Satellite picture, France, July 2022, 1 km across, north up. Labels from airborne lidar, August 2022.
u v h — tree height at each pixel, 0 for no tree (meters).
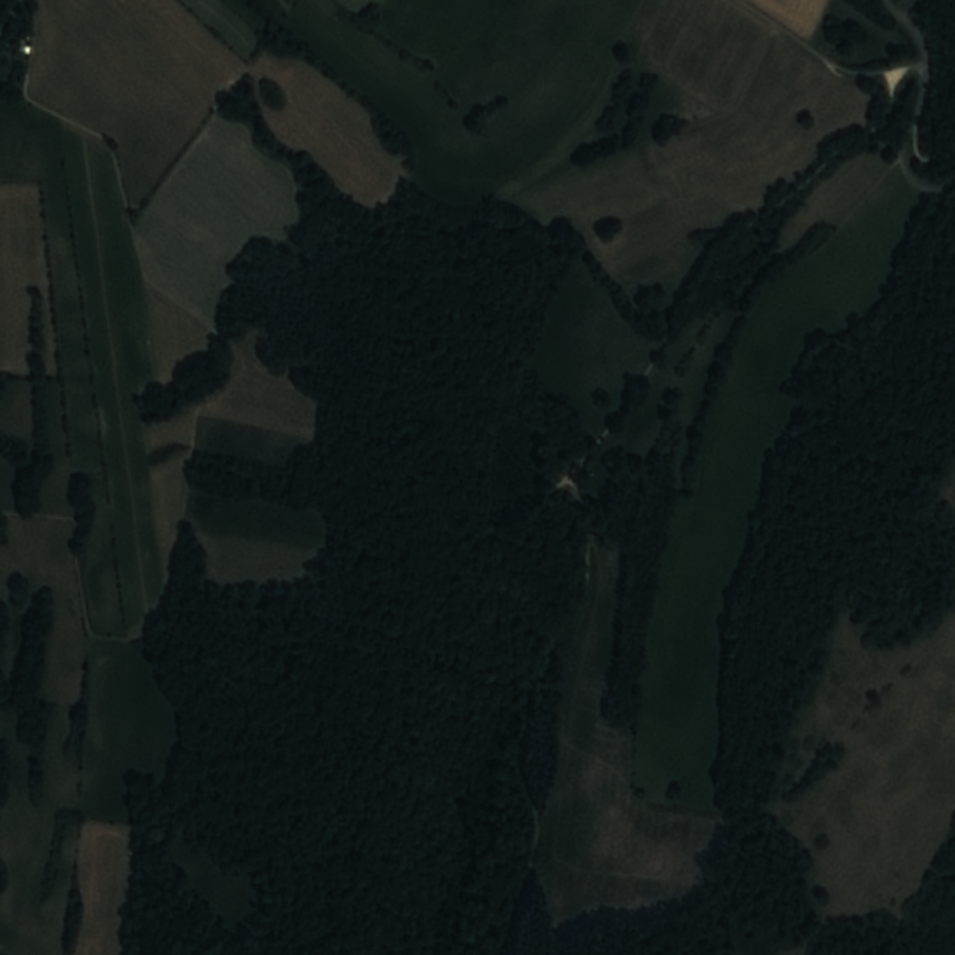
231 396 0
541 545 21
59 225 0
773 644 23
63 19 0
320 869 21
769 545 20
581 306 0
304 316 27
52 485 0
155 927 16
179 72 0
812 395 11
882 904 0
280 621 27
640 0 0
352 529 19
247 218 0
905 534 14
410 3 0
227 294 6
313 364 21
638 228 0
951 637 0
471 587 23
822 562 23
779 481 21
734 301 19
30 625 21
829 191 0
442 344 26
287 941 20
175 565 15
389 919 19
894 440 27
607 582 0
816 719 0
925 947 14
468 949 20
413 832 18
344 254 21
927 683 0
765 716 20
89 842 0
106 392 0
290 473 7
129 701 0
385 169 0
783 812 0
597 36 0
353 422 23
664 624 0
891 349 23
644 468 21
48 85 0
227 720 23
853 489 24
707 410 9
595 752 0
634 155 0
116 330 0
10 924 0
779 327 0
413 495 20
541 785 25
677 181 0
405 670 20
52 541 0
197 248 0
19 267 0
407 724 23
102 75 0
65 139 0
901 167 0
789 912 12
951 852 13
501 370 19
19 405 0
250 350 0
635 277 0
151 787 17
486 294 24
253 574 0
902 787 0
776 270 12
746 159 0
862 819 0
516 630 26
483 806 9
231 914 0
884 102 15
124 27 0
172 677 25
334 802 22
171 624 25
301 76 0
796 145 0
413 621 26
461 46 0
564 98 0
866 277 0
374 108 7
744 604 22
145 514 0
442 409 20
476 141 0
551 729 22
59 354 7
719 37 0
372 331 28
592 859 0
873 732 0
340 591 24
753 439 0
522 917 29
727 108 0
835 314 0
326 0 0
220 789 23
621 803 0
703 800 0
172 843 19
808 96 0
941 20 15
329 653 22
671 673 0
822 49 0
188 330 0
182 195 0
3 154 0
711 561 0
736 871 16
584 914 0
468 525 23
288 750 26
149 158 0
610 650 0
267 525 0
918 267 18
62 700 0
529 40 0
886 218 0
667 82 0
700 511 0
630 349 0
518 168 0
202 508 0
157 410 19
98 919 0
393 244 21
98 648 0
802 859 18
